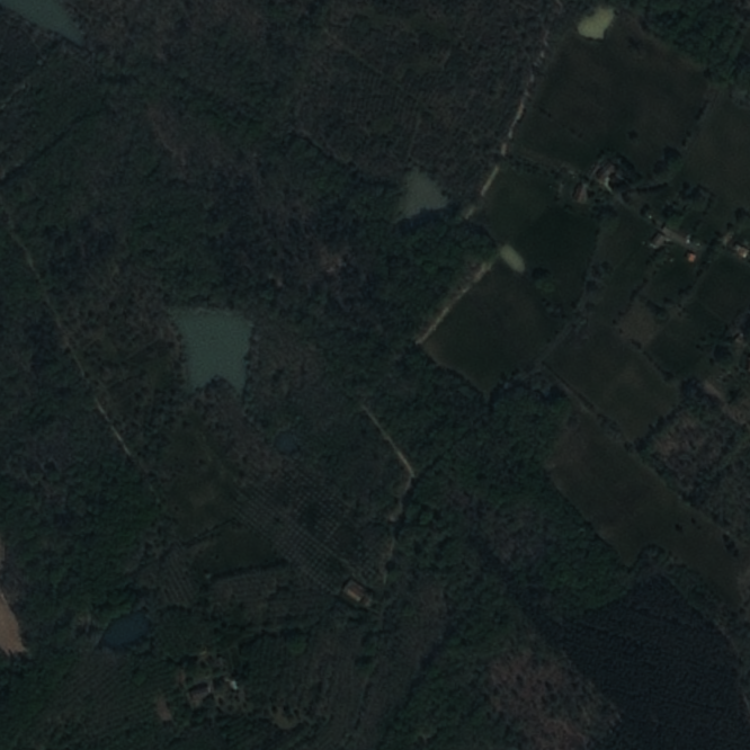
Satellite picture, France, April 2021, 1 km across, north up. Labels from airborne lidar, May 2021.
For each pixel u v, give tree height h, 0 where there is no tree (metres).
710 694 18
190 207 20
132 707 14
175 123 17
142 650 14
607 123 0
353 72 6
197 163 16
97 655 15
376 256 18
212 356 0
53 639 20
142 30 20
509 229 0
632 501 0
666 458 9
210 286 29
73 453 20
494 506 12
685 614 19
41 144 14
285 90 26
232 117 21
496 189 0
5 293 19
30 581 19
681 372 0
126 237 14
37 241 19
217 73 23
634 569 6
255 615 9
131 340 7
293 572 13
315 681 11
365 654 8
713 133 0
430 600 13
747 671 17
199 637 11
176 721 11
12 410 19
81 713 13
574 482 0
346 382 16
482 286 0
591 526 6
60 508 19
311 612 15
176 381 7
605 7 15
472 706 12
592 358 0
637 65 0
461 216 28
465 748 11
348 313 8
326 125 8
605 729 13
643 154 0
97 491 12
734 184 0
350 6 11
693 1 27
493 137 7
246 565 0
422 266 20
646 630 19
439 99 8
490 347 0
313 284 11
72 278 27
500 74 7
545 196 0
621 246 0
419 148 7
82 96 15
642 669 20
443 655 24
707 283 0
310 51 18
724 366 17
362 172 9
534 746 10
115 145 22
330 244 25
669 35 23
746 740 18
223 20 11
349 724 9
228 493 0
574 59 0
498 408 17
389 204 28
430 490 13
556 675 8
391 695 16
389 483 14
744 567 0
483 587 19
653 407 0
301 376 9
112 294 10
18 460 19
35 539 17
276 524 18
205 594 9
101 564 24
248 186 18
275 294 22
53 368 25
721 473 11
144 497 26
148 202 29
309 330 25
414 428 20
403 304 17
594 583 17
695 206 15
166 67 18
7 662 24
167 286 20
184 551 11
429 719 21
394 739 20
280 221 17
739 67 20
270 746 10
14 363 19
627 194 7
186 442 0
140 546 18
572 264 0
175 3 15
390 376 15
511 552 15
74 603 26
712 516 10
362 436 13
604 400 0
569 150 0
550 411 21
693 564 0
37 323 18
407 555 10
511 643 12
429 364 22
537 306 0
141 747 13
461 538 15
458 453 25
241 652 9
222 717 6
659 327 0
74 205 21
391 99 8
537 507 16
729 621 6
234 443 10
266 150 19
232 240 20
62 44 9
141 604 19
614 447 0
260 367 12
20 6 0
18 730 15
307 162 18
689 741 17
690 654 19
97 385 9
